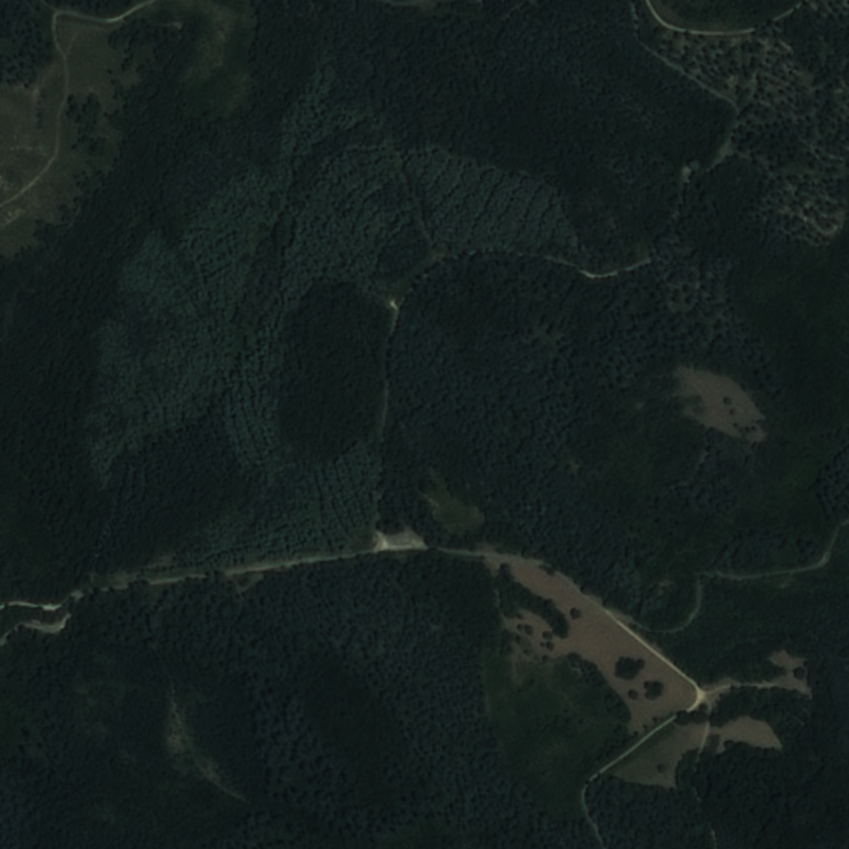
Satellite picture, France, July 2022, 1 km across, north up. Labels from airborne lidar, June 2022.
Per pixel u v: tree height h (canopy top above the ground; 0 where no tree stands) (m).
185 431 15
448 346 18
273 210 16
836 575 7
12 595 9
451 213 13
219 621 16
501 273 21
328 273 18
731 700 10
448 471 10
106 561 18
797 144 23
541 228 10
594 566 20
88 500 20
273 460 10
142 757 9
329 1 10
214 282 17
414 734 20
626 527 6
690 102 15
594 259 10
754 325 8
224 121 11
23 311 15
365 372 15
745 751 12
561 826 15
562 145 14
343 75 11
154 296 16
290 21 14
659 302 20
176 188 11
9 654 8
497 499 18
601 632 0
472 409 19
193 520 9
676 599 8
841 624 10
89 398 12
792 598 11
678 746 0
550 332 15
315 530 13
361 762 8
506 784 21
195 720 6
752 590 8
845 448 7
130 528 14
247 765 8
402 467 10
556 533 20
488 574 9
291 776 24
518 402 17
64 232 9
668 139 13
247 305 13
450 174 13
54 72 0
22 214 0
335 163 16
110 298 15
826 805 9
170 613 8
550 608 16
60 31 0
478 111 13
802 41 10
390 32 10
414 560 7
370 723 10
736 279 11
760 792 28
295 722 22
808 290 6
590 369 14
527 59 14
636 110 9
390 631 11
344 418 16
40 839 11
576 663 11
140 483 15
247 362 17
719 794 19
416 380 15
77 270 16
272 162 13
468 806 17
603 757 10
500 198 17
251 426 17
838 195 20
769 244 14
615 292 13
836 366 6
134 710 8
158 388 12
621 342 18
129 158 12
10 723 6
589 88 13
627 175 14
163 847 14
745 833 14
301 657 11
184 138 17
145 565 10
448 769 20
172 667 8
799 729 13
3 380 14
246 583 8
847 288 6
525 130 11
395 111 13
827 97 23
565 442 6
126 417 14
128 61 11
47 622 9
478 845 13
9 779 10
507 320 10
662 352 20
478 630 15
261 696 9
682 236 25
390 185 11
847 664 9
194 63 9
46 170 0
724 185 13
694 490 13
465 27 16
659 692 7
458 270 22
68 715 9
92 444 16
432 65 9
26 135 0
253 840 21
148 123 9
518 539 11
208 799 9
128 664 10
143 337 14
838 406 6
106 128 0
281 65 11
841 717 13
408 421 13
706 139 8
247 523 8
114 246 16
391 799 9
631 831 20
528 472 23
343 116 11
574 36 17
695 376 0
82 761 15
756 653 9
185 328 12
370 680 19
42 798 13
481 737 8
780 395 19
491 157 9
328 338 15
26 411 16
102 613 7
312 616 12
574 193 12
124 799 6
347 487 17
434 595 15
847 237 8
